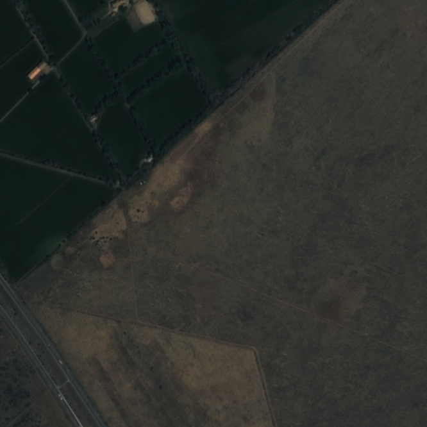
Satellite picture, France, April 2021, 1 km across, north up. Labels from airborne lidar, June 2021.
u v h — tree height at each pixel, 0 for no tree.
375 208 0
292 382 0
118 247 0
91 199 0
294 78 0
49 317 0
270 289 0
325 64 0
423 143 0
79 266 0
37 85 0
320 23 0
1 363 0
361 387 0
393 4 0
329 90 0
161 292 0
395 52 0
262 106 0
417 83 0
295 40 0
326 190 0
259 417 0
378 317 0
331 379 0
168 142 14
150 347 0
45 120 0
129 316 0
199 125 0
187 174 0
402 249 0
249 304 0
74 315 0
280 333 0
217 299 0
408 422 0
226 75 0
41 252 0
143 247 0
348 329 0
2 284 0
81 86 0
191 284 0
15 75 0
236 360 0
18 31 0
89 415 0
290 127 0
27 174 0
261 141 0
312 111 0
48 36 0
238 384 0
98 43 0
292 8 0
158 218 0
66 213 0
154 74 0
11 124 0
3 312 0
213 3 0
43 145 0
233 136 0
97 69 0
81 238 0
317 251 0
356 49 0
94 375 0
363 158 0
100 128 0
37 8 0
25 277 0
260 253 0
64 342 0
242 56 0
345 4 0
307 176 0
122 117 0
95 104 0
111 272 0
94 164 0
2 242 0
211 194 0
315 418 0
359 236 0
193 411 0
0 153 0
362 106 0
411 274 0
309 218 0
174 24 0
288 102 0
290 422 0
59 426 0
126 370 0
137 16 0
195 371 0
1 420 0
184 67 25
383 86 0
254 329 0
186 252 0
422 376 0
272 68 0
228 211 0
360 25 0
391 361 0
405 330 0
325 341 0
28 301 0
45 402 0
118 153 0
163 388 0
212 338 0
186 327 0
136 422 0
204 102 0
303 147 0
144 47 0
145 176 0
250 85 0
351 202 0
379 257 0
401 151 0
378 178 0
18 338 0
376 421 0
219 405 0
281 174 0
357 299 0
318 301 0
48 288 0
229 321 0
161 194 0
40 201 0
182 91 0
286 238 0
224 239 0
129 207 0
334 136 0
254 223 0
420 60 0
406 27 0
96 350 0
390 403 0
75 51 0
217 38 0
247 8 0
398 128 0
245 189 0
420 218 0
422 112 0
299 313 0
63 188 0
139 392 0
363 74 0
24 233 0
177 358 0
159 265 0
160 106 0
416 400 0
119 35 0
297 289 0
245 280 0
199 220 0
